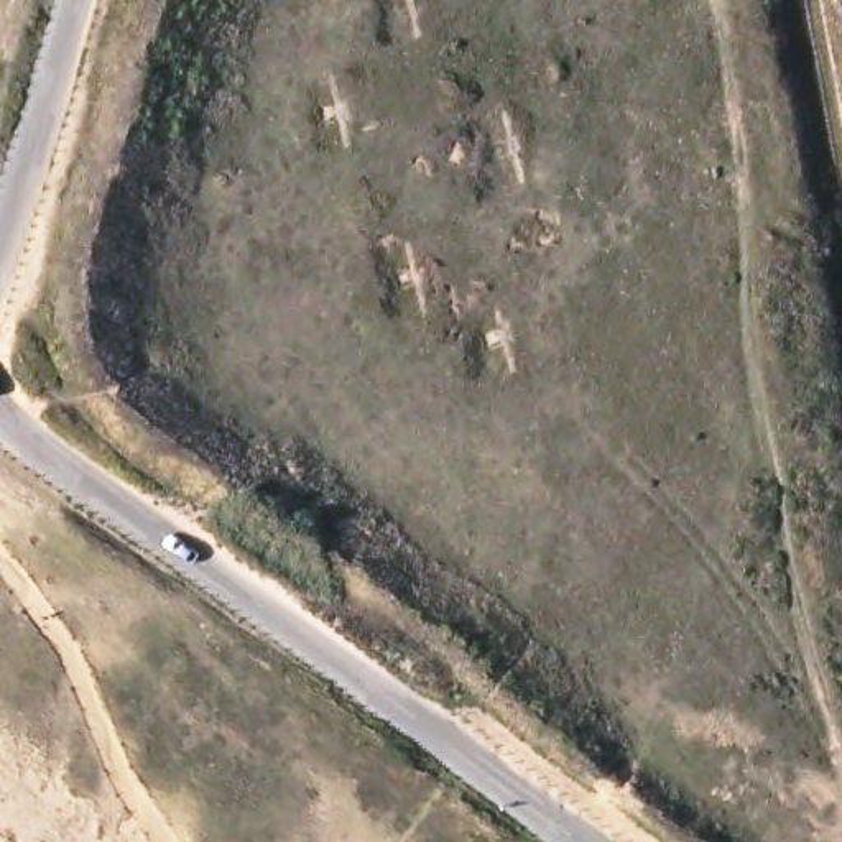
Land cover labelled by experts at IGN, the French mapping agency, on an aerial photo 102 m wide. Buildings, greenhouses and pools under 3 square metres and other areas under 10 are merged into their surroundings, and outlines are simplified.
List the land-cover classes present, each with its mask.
<instances>
[{"label":"bare soil","instance_id":"1","mask_svg":"<svg viewBox=\"0 0 842 842\"><path fill-rule=\"evenodd\" d=\"M53 13V0H0V168L7 161L10 141L20 128L30 99V82ZM733 168L720 56L707 0H168L158 33L145 53L138 112L122 145V171L118 178H112L102 201L89 266V332L99 368L118 385V405L135 411L151 431L168 434L181 451L178 457L207 467L220 477L227 490L257 493L283 520L293 513H306L316 526L312 539L319 543L322 556L339 553L349 566H359L372 579V585L391 592L405 608L421 615V622L457 635L480 674H487L500 691L520 701L533 720L559 733L562 743L576 747L605 776L632 786L645 806L661 812L664 822L678 829V842H812L806 809L812 806V799L796 786V780L806 770L829 776L835 766L826 743L822 714L806 678L793 608H776L773 559L760 566L756 576H747V559L737 556V539L750 536V530L756 526L753 477L773 474L763 434L753 418L750 378L743 362L737 194L730 181ZM727 13L733 23L740 112L750 138L756 250L753 273L756 293L766 299L773 289L770 234L789 230V224L799 220V214L809 207V201L803 197V161L793 128L789 92L780 82L776 43L766 30V0H727ZM822 289L832 312V345L839 355L832 375H842V237H835L829 243V257L819 260ZM62 520L69 526L59 536L36 539L7 530L3 546L30 572L56 618L79 641L82 661L95 678L102 701L118 727L122 750L128 753L148 796L158 803L164 822L181 832L187 829L194 842H543L447 770L434 783L408 763H401L385 743L401 733L388 720L368 714L359 701H352L335 681L322 678L270 638L250 632L243 618H237L214 595H207L197 582L184 579L181 572H164L138 553V546L128 536H112L105 526L95 523V516H86L82 507H76L62 510ZM783 549L789 556L793 579L803 582L822 589L826 566L816 556V546H806V539H799L796 533H783ZM135 809L128 806V796L122 793L112 770L99 760V747L86 720V704L79 697V687L66 678L59 648L0 576V842H109L105 835H118Z\"/></svg>","mask_w":842,"mask_h":842},{"label":"pervious surface","instance_id":"2","mask_svg":"<svg viewBox=\"0 0 842 842\"><path fill-rule=\"evenodd\" d=\"M168 0H99L72 79V89L86 92V109L76 132L72 158L59 184L39 293L16 326L13 359L30 375L23 391L43 398V418L56 434L79 444L92 460L118 470L141 490L164 497L168 507L187 510L201 526H207L211 507L224 500L227 490L220 477L207 467L178 457L181 451L168 434L151 431L135 411L118 405V385L99 368L89 332V266L102 201L112 178H118L122 171V145L138 112L145 53L158 33ZM720 56L733 168L730 181L737 194L743 362L750 378L753 418L763 434L773 474L783 483L786 464L776 441L770 391L763 382V349L770 342L760 329V309L766 299L756 293L753 273L756 250L750 138L740 112L733 23L727 13V0H707ZM806 26L816 56V76L822 89L829 138L842 141V0H812V7H806ZM76 507L62 487L36 474L33 467L20 464L0 444V576L59 648L66 678L79 687V697L86 704V720L99 747V760L112 770L122 793L128 796V806L135 809L118 835H105L109 842H194L187 829L181 832L164 822L158 803L148 796L128 753L122 750L118 727L102 701L95 678L82 661L79 641L56 618L30 572L3 546L7 530L36 539L59 536L69 526L62 520V510ZM335 605H326L319 599L306 605L312 615H319L349 641H355L385 671H391L401 684L421 691L431 701H441L444 707H474L493 717L520 743L533 747L536 756L559 766L589 793H595V786L605 776L576 747L562 743L559 733L533 720L520 701L500 691L487 674H480L457 635L421 622V615L405 608L391 592L372 585V579L359 566H349L339 553L322 556ZM806 678L822 714L826 743L835 766L829 776L806 770L796 780V786L812 799V806L806 809L812 842H842V724L835 714L826 651L816 638L819 625L812 618V595L803 589V582L793 579V608ZM648 812L641 816L638 829L655 835L658 842H678V829L664 822L661 812L645 806Z\"/></svg>","mask_w":842,"mask_h":842},{"label":"impervious surface","instance_id":"3","mask_svg":"<svg viewBox=\"0 0 842 842\"><path fill-rule=\"evenodd\" d=\"M99 0H53V13L30 82V99L20 128L10 141L7 161L0 168V444L20 464L33 467L36 474L62 487L76 507H82L86 516H95V523L105 526L112 536H128L138 546V553L164 572H181L184 579L197 582L207 595H214L237 618H243L250 632L270 638L322 678L335 681L352 701H359L368 714L388 720L401 733L424 747L431 756H437L447 770L543 842H658L655 835L638 829L641 816L648 812L645 806L632 786L605 776L595 786V793H589L559 766L536 756L533 747L520 743L493 717L474 707H444L441 701H431L421 691L401 684L391 671H385L355 641H349L319 615H312L306 605L280 579L263 576L257 566L243 562L207 526H201L187 510L168 507L164 497L141 490L118 470L92 460L79 444L56 434L43 418V398L23 391L30 375L13 359L16 326L39 293L59 184L72 158L76 132L86 109V92L72 89V79Z\"/></svg>","mask_w":842,"mask_h":842},{"label":"brushwood","instance_id":"4","mask_svg":"<svg viewBox=\"0 0 842 842\"><path fill-rule=\"evenodd\" d=\"M806 7H812V0H766V30L776 43L780 82L789 92L793 128L803 161V197L809 201V207L799 214V220L789 224V230L770 234L773 289L766 299L760 309V329L770 342L763 349V382L770 391L776 441L786 464L783 483L773 474L753 477L756 526L750 530V536L737 539V556L747 559V576H756L760 566L773 559L776 608H793V579L789 556L783 549V533H796L799 539H806V546H816V556L826 566L822 589L803 582V589L812 595V618L819 625L816 638L826 651L835 714L842 724V375H832L839 355L832 345V312L822 289L819 260L829 257V243L835 237H842V141L829 138L822 89L816 76V56L806 26ZM243 562L257 566L263 576L280 579L306 605L319 599L326 605H335L322 556L319 543L312 539L316 526L306 513H293L283 520L257 493L227 490L224 500L211 507L207 526ZM401 763H408L434 783L447 770L437 756H431L424 747L401 733L385 743Z\"/></svg>","mask_w":842,"mask_h":842}]
</instances>
